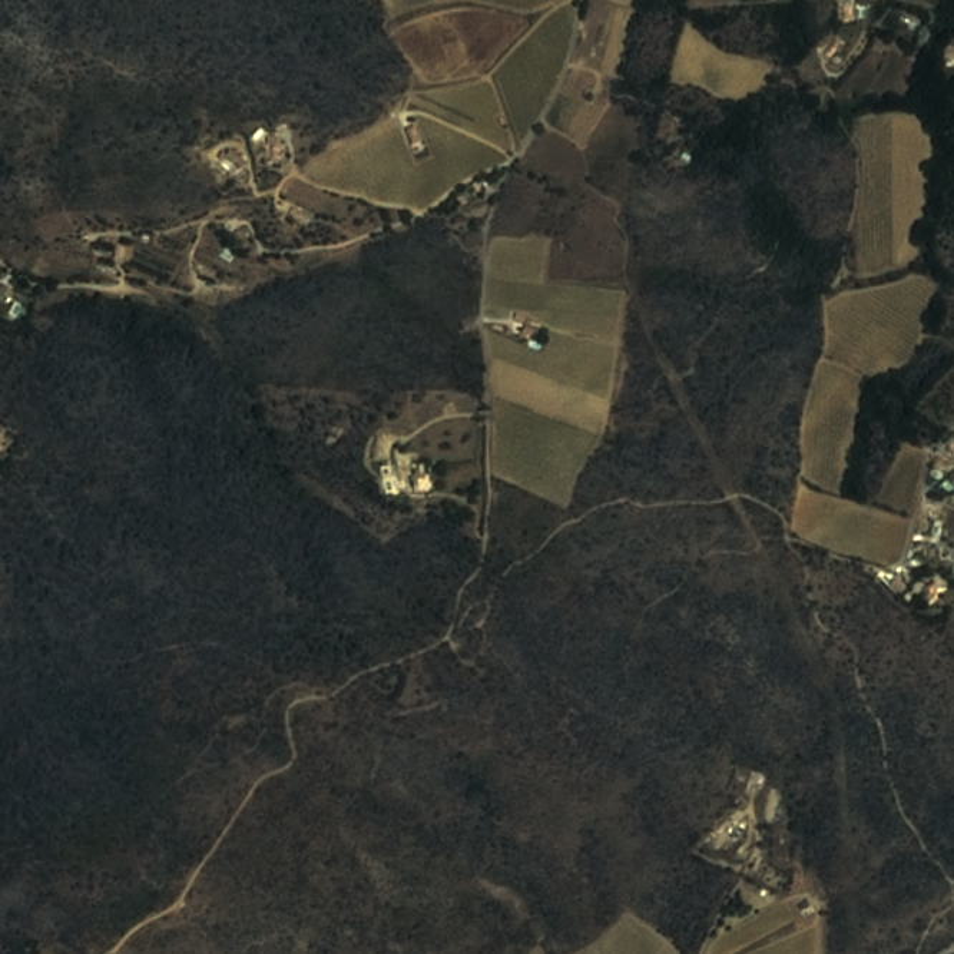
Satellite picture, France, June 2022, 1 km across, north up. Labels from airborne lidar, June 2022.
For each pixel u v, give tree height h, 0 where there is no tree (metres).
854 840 0
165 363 10
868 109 11
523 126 0
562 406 0
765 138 12
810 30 8
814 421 0
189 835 11
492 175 10
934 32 7
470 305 0
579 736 8
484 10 0
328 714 0
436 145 0
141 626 7
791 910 0
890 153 0
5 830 8
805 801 10
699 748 6
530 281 0
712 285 8
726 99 9
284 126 0
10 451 7
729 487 0
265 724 8
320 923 0
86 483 11
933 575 8
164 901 0
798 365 7
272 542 9
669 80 9
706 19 11
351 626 9
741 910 8
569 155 0
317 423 8
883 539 0
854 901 0
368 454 0
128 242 9
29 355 7
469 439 10
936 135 10
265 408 11
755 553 0
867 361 0
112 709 8
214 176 0
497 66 0
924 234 17
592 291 0
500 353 0
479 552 8
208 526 9
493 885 0
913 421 9
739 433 0
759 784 0
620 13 0
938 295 10
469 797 8
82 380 12
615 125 0
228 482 10
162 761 0
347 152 0
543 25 0
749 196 7
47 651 11
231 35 6
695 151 9
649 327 0
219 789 0
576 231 0
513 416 0
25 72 6
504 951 6
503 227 0
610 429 0
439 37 0
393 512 8
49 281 10
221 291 0
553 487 0
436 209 7
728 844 0
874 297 0
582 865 7
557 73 0
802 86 8
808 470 0
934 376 11
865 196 0
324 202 0
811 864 9
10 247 0
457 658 9
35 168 9
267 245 6
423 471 0
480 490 9
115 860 0
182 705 8
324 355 0
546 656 8
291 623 11
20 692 7
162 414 6
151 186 0
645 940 0
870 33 6
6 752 9
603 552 0
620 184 0
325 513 9
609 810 0
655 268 0
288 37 17
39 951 8
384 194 0
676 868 7
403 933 11
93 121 0
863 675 6
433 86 0
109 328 5
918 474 0
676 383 0
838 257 6
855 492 14
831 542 0
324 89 17
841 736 0
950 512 0
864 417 14
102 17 7
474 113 0
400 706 7
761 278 7
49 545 8
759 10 7
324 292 9
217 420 9
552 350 0
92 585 11
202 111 0
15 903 0
